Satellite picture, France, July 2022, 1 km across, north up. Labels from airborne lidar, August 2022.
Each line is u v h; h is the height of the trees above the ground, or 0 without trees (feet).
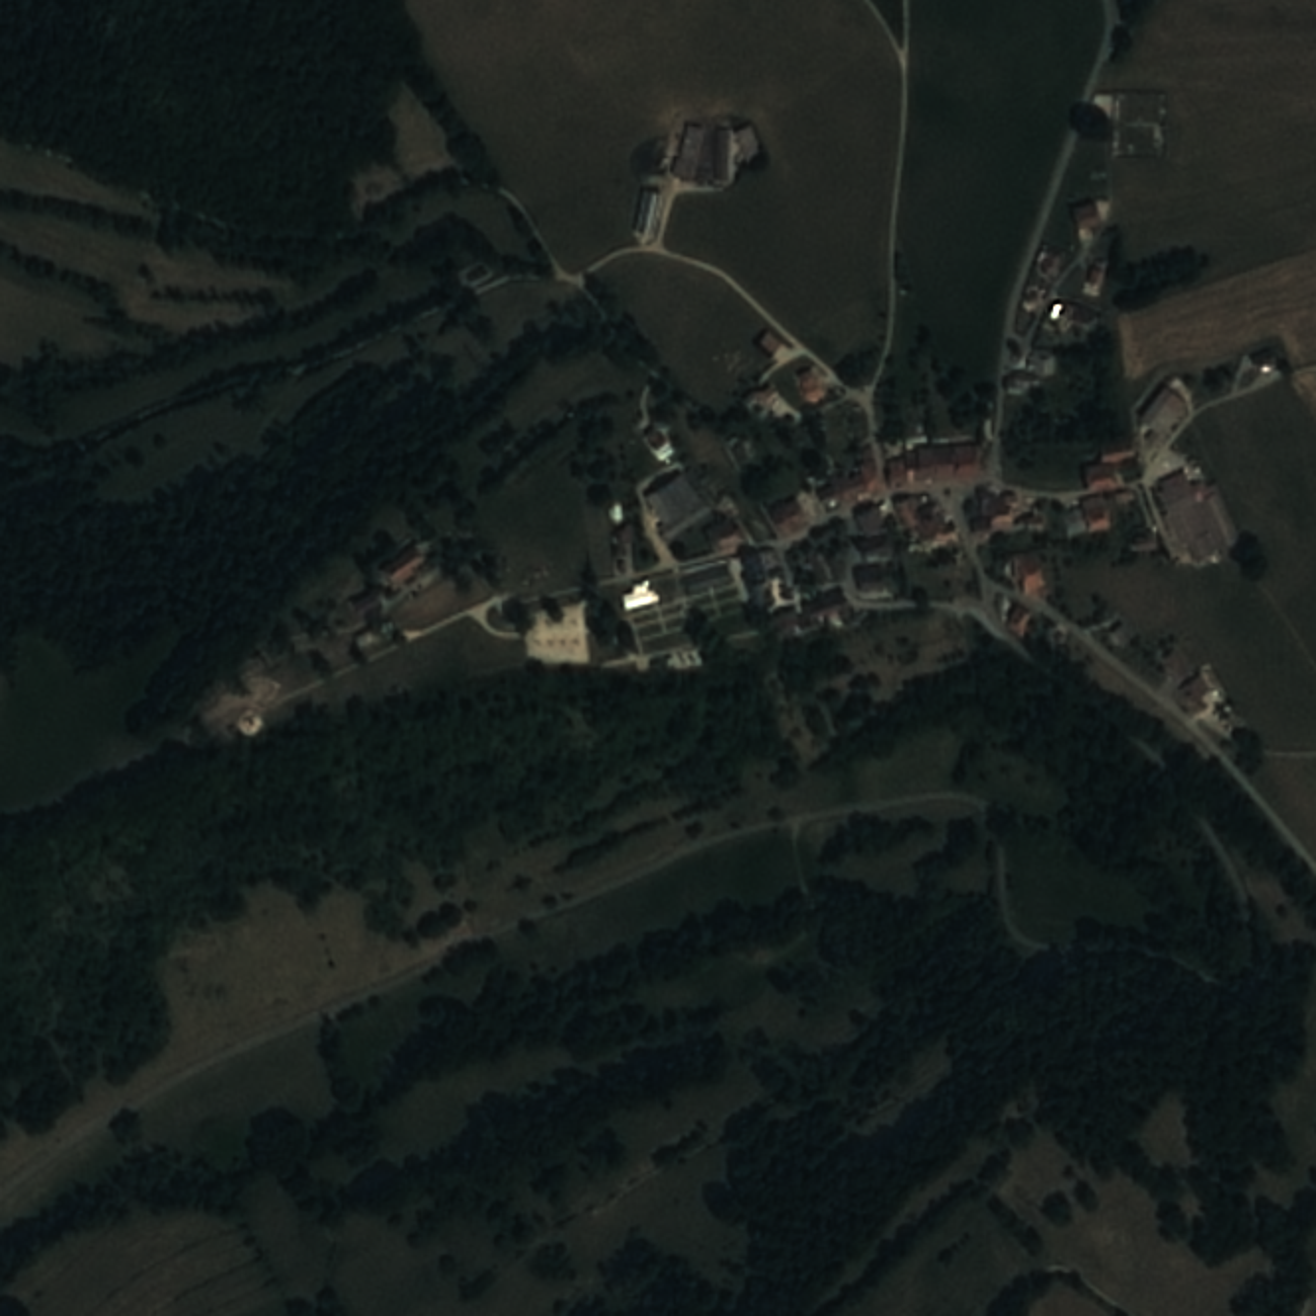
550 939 0
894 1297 0
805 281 0
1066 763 28
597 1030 73
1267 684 0
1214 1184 65
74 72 68
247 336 66
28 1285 0
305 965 0
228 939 0
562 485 0
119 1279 0
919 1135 90
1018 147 0
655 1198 0
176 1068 0
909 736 21
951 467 0
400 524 0
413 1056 77
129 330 65
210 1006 0
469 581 78
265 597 84
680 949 75
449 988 0
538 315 0
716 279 0
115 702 0
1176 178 0
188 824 44
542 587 0
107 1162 0
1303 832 0
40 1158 0
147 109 53
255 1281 0
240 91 60
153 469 0
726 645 48
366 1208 58
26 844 63
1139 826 77
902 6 0
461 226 61
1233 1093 74
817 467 58
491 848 0
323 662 65
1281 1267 49
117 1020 26
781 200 0
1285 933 0
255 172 68
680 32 0
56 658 0
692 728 63
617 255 0
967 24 0
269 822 68
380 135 68
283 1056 0
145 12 47
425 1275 0
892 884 0
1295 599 0
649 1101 22
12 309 0
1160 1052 63
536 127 0
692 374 0
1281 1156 67
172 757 58
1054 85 0
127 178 62
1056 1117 65
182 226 53
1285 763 0
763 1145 54
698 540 0
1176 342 0
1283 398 0
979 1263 0
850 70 0
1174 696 0
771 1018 0
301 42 63
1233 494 0
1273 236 0
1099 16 0
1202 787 76
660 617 0
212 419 0
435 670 0
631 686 72
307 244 57
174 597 72
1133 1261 0
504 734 18
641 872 0
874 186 0
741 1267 25
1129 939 53
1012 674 39
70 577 70
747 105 0
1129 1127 49
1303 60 0
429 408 71
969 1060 47
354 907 0
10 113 57
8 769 0
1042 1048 79
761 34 0
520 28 0
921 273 0
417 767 38
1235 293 0
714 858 0
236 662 76
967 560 0
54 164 0
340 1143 46
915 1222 54
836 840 20
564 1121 77
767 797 0
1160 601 0
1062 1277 29
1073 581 0
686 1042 36
